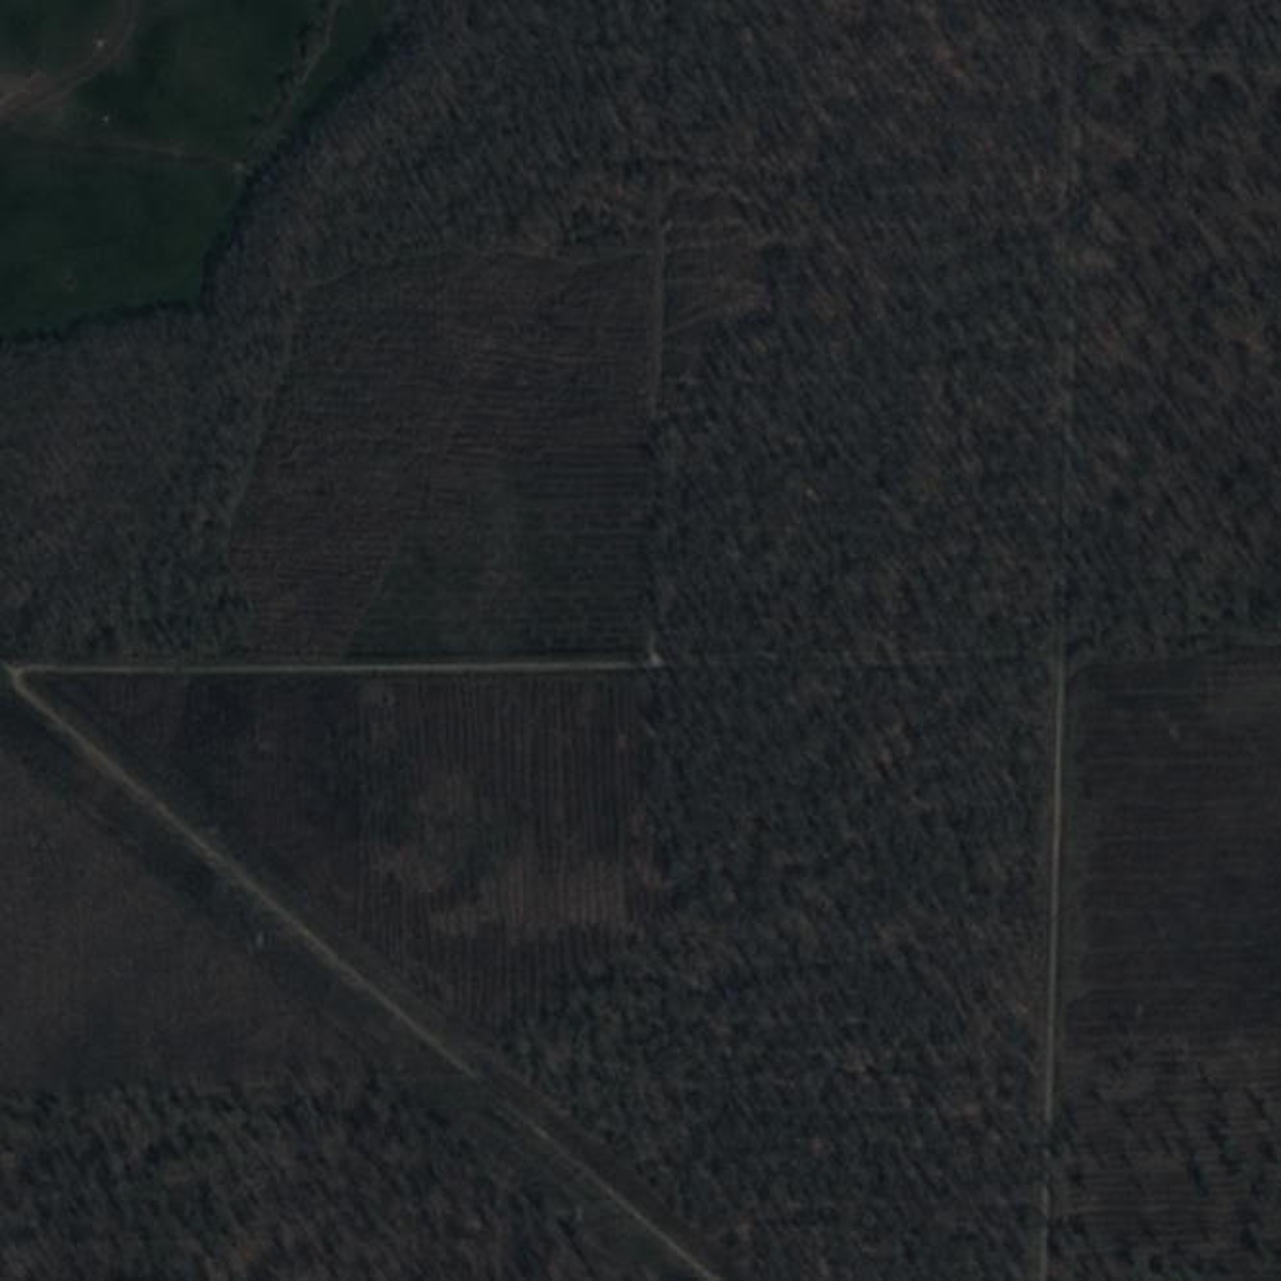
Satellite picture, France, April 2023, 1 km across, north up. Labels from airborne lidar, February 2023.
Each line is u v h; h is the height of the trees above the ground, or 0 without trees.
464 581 0
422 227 28
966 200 35
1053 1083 0
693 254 6
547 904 0
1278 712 0
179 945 8
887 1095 33
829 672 28
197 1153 30
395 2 23
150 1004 12
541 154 30
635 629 0
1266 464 29
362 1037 0
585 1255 29
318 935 0
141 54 0
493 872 0
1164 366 30
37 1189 26
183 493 29
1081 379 0
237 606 8
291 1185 33
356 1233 34
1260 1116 26
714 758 36
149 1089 8
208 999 8
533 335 12
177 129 0
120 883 10
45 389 13
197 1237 34
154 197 0
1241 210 28
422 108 28
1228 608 28
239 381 28
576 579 0
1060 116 28
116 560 18
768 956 30
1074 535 30
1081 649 18
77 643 21
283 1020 9
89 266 0
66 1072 10
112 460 11
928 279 35
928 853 29
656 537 18
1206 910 0
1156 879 0
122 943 9
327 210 25
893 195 35
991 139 33
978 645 31
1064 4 29
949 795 31
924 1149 33
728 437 35
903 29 32
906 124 33
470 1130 0
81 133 0
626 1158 14
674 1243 0
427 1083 0
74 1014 12
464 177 32
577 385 6
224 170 0
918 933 31
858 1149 33
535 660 0
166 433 23
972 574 16
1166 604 26
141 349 17
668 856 10
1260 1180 25
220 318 28
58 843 7
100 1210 31
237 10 0
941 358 31
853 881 28
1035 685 32
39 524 15
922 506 32
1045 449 32
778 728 35
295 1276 34
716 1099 32
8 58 0
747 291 7
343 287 6
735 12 34
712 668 31
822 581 29
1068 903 0
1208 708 0
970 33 31
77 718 0
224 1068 10
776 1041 32
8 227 0
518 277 6
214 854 0
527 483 0
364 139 28
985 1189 33
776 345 33
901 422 29
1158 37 29
